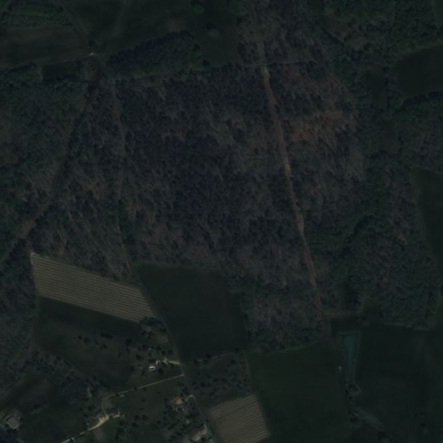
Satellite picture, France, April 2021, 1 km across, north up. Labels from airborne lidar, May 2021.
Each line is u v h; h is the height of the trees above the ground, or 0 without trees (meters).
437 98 20
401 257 18
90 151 18
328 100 16
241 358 14
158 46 20
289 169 0
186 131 9
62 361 11
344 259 20
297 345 19
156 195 14
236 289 16
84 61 0
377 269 17
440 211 0
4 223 14
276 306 16
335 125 14
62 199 13
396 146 0
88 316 0
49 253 14
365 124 21
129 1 0
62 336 0
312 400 0
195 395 0
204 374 0
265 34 8
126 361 0
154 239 13
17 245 0
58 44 0
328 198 15
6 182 19
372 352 0
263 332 21
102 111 18
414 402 0
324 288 20
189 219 17
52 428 0
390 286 13
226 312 0
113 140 11
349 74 24
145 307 0
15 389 0
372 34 20
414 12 22
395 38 16
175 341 0
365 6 21
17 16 15
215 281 0
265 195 9
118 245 23
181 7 0
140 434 0
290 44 19
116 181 16
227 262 15
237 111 23
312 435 0
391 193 13
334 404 0
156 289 0
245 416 0
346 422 0
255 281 17
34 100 22
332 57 20
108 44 0
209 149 19
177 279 0
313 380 0
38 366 7
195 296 0
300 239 18
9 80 14
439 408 0
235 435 0
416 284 19
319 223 17
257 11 6
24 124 20
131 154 23
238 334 0
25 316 18
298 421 0
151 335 13
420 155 7
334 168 16
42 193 15
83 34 0
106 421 0
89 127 14
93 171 26
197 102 24
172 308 0
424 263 20
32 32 0
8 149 11
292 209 10
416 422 0
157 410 0
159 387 0
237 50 0
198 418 10
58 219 20
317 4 0
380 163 23
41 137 21
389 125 0
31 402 0
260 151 12
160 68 23
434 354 0
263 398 0
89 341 10
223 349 0
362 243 20
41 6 20
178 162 19
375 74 0
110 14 0
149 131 23
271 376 0
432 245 0
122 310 0
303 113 17
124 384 0
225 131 16
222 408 0
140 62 25
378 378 0
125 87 19
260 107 24
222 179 10
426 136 8
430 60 0
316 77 24
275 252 10
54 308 0
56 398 0
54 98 22
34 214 24
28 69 12
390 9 24
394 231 16
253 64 11
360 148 18
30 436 0
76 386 19
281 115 23
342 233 21
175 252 17
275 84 17
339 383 0
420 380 0
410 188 15
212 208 22
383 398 0
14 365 7
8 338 13
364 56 18
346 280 6
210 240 18
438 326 0
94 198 24
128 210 11
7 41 0
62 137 21
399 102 20
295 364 0
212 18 0
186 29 0
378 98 0
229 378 11
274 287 16
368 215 17
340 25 0
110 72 16
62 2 0
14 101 25
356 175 16
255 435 0
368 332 0
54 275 0
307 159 14
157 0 0
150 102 26
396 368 0
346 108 19
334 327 0
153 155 24
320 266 15
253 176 14
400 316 14
